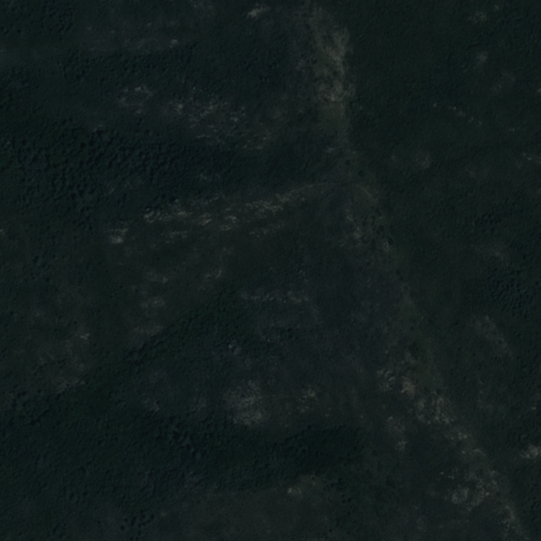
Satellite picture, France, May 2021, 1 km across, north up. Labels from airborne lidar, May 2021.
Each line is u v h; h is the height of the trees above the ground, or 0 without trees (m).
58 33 5
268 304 6
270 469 8
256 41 6
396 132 9
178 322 12
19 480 7
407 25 10
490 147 7
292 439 16
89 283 6
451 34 7
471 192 9
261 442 10
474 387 6
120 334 6
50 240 8
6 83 7
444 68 9
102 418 15
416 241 10
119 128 6
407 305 0
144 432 20
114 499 6
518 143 6
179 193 16
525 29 10
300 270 7
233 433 8
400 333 0
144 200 5
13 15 9
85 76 7
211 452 18
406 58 8
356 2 7
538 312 6
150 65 11
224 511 0
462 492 0
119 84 10
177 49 7
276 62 6
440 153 7
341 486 12
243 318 6
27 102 16
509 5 13
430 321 7
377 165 6
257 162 5
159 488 13
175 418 15
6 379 12
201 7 0
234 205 0
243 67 7
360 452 11
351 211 0
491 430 7
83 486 7
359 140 6
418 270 6
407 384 0
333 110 0
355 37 9
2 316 6
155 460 14
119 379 11
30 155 15
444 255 7
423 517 0
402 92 10
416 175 8
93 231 16
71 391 10
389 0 9
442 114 8
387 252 0
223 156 14
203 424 12
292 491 0
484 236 7
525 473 7
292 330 13
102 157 15
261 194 0
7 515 8
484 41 11
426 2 6
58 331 11
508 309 12
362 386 0
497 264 6
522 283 7
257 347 7
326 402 0
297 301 0
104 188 8
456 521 0
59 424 25
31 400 9
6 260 7
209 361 8
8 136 18
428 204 8
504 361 7
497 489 0
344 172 0
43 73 8
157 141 12
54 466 6
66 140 15
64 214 7
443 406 0
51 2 6
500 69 6
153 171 15
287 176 6
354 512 7
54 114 6
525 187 6
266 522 0
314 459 14
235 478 7
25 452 16
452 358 6
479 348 7
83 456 11
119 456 9
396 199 7
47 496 6
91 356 6
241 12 7
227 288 9
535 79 6
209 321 14
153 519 13
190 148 11
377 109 9
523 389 6
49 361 5
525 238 7
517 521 0
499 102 7
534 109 7
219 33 8
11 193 8
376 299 0
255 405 0
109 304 6
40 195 7
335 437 13
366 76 7
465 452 0
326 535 9
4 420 18
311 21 0
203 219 0
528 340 6
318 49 0
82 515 7
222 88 6
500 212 8
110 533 0
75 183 14
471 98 5
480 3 9
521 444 10
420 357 0
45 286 5
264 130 0
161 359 10
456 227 7
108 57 9
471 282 10
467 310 6
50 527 7
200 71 7
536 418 7
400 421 0
